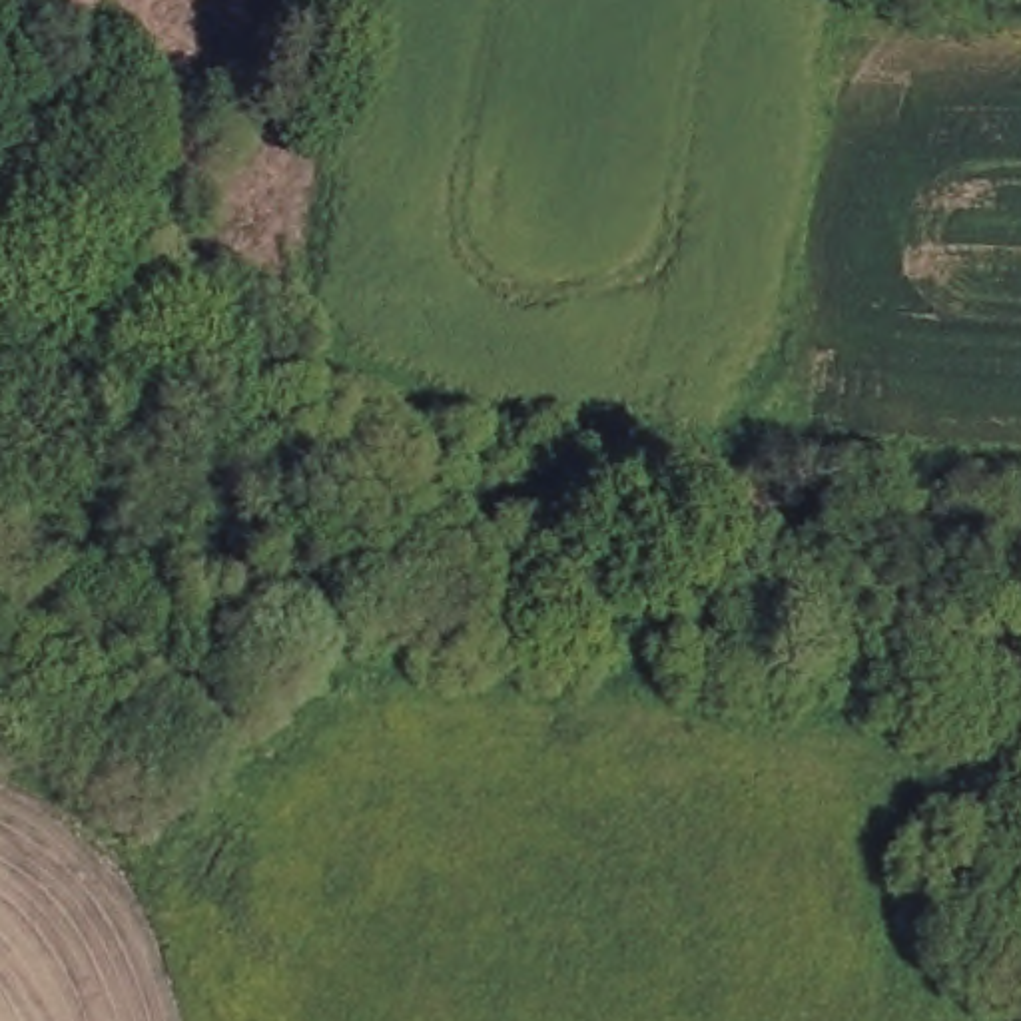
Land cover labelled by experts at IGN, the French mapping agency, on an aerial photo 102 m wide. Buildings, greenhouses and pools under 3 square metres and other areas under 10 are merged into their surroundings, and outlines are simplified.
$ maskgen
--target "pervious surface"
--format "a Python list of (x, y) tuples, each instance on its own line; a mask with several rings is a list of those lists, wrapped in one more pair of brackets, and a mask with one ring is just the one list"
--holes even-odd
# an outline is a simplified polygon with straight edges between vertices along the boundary
[(92, 8), (116, 4), (132, 12), (156, 40), (156, 48), (171, 52), (179, 92), (199, 92), (211, 72), (227, 76), (235, 64), (259, 52), (259, 32), (267, 28), (267, 16), (291, 0), (76, 0)]
[(219, 191), (207, 239), (223, 247), (239, 251), (255, 267), (287, 263), (303, 251), (303, 223), (315, 171), (311, 160), (291, 156), (283, 148), (267, 144), (255, 152), (255, 164), (235, 168), (231, 183)]

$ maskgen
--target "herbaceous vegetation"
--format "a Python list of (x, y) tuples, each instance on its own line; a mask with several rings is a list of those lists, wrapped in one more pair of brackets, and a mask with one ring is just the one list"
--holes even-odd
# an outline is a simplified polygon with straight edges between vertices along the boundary
[(969, 491), (957, 479), (929, 483), (921, 491), (925, 518), (969, 507), (981, 511), (989, 522), (981, 534), (993, 542), (993, 550), (1009, 550), (1013, 530), (1021, 526), (1021, 467), (993, 475), (981, 491)]
[(953, 794), (973, 802), (989, 798), (997, 774), (1005, 770), (993, 754), (985, 762), (953, 766), (941, 778), (909, 782), (909, 770), (893, 758), (897, 746), (885, 746), (877, 730), (865, 726), (873, 710), (869, 654), (857, 654), (850, 666), (846, 706), (834, 726), (814, 726), (782, 742), (758, 738), (754, 730), (722, 730), (706, 718), (694, 730), (682, 730), (686, 718), (674, 718), (666, 702), (658, 706), (658, 698), (638, 682), (630, 662), (602, 686), (582, 690), (574, 682), (562, 682), (558, 694), (514, 694), (495, 674), (483, 674), (475, 682), (443, 678), (431, 686), (415, 686), (407, 678), (407, 650), (395, 650), (395, 662), (343, 654), (323, 694), (303, 702), (291, 714), (287, 730), (279, 730), (275, 738), (267, 730), (239, 734), (231, 742), (219, 786), (211, 786), (199, 798), (191, 818), (160, 830), (160, 838), (128, 869), (136, 901), (148, 909), (160, 949), (168, 957), (179, 1021), (1001, 1021), (989, 1009), (961, 1013), (953, 1001), (925, 993), (913, 977), (909, 961), (921, 953), (929, 893), (909, 889), (901, 897), (877, 901), (873, 889), (877, 877), (885, 877), (889, 842), (913, 822), (929, 794)]
[(690, 375), (678, 371), (666, 375), (666, 383), (654, 383), (626, 411), (642, 431), (662, 435), (670, 459), (690, 463), (690, 475), (702, 487), (746, 483), (746, 475), (730, 463), (734, 431), (726, 423), (674, 427), (678, 387), (690, 383)]

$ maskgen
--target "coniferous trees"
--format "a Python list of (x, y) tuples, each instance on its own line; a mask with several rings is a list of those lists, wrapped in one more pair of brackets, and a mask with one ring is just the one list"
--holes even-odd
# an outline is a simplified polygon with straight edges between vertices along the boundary
[(235, 84), (239, 112), (251, 116), (267, 144), (283, 148), (287, 128), (295, 128), (307, 112), (315, 72), (327, 60), (331, 28), (347, 0), (291, 0), (267, 16), (267, 28), (259, 32), (259, 52), (235, 64), (227, 76)]
[(291, 291), (295, 283), (287, 263), (255, 267), (239, 251), (223, 247), (215, 267), (235, 279), (239, 295), (251, 291), (259, 279)]
[(614, 618), (614, 634), (630, 646), (630, 662), (638, 682), (658, 698), (666, 694), (662, 666), (674, 654), (678, 614)]
[(116, 857), (128, 869), (160, 838), (160, 830), (191, 818), (199, 798), (191, 774), (160, 778), (152, 762), (132, 762), (100, 782), (84, 766), (76, 766), (72, 778), (60, 786), (64, 798), (56, 806), (60, 814), (80, 822), (80, 838), (92, 842), (96, 853)]
[(750, 602), (750, 634), (778, 638), (782, 626), (790, 626), (790, 582), (758, 578)]

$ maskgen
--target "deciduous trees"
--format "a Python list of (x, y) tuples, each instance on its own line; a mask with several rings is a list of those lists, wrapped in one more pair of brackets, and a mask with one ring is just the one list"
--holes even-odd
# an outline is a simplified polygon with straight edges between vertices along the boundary
[(1021, 24), (1021, 0), (834, 0), (834, 16), (857, 28), (861, 44), (889, 40), (897, 32), (909, 32), (909, 40), (997, 40), (1005, 28)]
[[(219, 786), (231, 742), (239, 734), (267, 730), (275, 738), (279, 730), (287, 730), (291, 714), (303, 702), (323, 694), (343, 654), (395, 662), (395, 650), (407, 650), (407, 678), (415, 686), (431, 686), (443, 678), (475, 682), (483, 674), (495, 674), (514, 694), (558, 694), (562, 682), (574, 682), (582, 690), (602, 686), (630, 662), (630, 646), (614, 634), (614, 618), (678, 614), (674, 654), (662, 666), (666, 694), (658, 698), (658, 706), (666, 702), (674, 718), (686, 718), (682, 730), (694, 730), (706, 718), (722, 730), (754, 730), (758, 738), (782, 742), (814, 726), (834, 726), (846, 706), (850, 666), (857, 654), (869, 654), (873, 710), (865, 726), (877, 730), (885, 746), (897, 746), (893, 758), (909, 770), (909, 782), (941, 778), (953, 766), (985, 762), (993, 754), (1005, 770), (997, 774), (989, 798), (973, 802), (953, 794), (929, 794), (913, 822), (889, 842), (885, 877), (877, 877), (873, 889), (877, 901), (901, 897), (909, 889), (929, 893), (921, 953), (909, 961), (913, 977), (925, 993), (953, 1001), (961, 1013), (989, 1009), (1001, 1021), (1021, 1021), (1021, 526), (1013, 530), (1009, 550), (993, 550), (993, 542), (981, 534), (973, 538), (957, 530), (941, 542), (925, 526), (925, 518), (921, 491), (913, 463), (897, 467), (885, 459), (881, 483), (873, 491), (857, 499), (830, 495), (818, 518), (810, 518), (798, 530), (782, 522), (774, 542), (758, 550), (738, 546), (738, 514), (714, 518), (710, 495), (702, 487), (662, 491), (658, 483), (650, 483), (646, 463), (630, 455), (598, 471), (590, 479), (594, 487), (582, 491), (578, 514), (566, 514), (550, 530), (534, 522), (534, 503), (507, 503), (491, 518), (479, 507), (479, 491), (463, 483), (451, 467), (455, 447), (467, 439), (467, 415), (459, 407), (415, 411), (415, 391), (391, 391), (379, 379), (351, 367), (343, 375), (331, 375), (331, 339), (315, 335), (315, 323), (299, 315), (291, 291), (259, 279), (251, 291), (239, 295), (235, 279), (215, 267), (195, 263), (179, 275), (175, 259), (156, 251), (156, 231), (175, 223), (168, 203), (168, 171), (179, 160), (179, 92), (171, 52), (156, 48), (156, 40), (132, 12), (116, 4), (92, 8), (76, 0), (0, 0), (0, 782), (12, 782), (24, 794), (36, 794), (40, 802), (56, 806), (64, 798), (60, 786), (72, 778), (76, 766), (84, 766), (100, 782), (132, 762), (152, 762), (160, 778), (191, 774), (199, 798), (211, 786)], [(782, 626), (778, 638), (750, 634), (750, 602), (758, 578), (790, 582), (790, 626)]]
[(331, 28), (327, 60), (315, 72), (307, 112), (295, 128), (287, 128), (283, 148), (291, 156), (311, 160), (315, 171), (339, 168), (351, 152), (367, 148), (375, 120), (395, 100), (395, 44), (367, 0), (347, 0)]

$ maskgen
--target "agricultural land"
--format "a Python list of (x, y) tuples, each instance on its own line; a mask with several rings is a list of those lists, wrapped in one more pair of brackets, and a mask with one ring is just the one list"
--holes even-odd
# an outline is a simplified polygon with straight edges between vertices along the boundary
[(315, 171), (303, 223), (303, 251), (287, 263), (295, 283), (291, 291), (299, 315), (315, 323), (315, 335), (331, 339), (331, 375), (343, 375), (351, 367), (379, 379), (391, 391), (415, 391), (415, 411), (459, 407), (471, 407), (475, 415), (499, 411), (503, 419), (522, 427), (534, 415), (550, 411), (554, 399), (570, 403), (574, 411), (582, 411), (582, 403), (590, 399), (618, 403), (626, 411), (654, 383), (666, 383), (666, 375), (678, 371), (690, 375), (690, 383), (678, 387), (674, 427), (726, 423), (734, 431), (742, 419), (865, 431), (881, 443), (885, 459), (897, 467), (913, 463), (917, 455), (941, 451), (1021, 451), (1021, 24), (1005, 28), (997, 40), (909, 40), (909, 32), (897, 32), (889, 40), (861, 44), (857, 28), (834, 16), (834, 0), (367, 0), (395, 44), (395, 100), (375, 120), (367, 148), (351, 152), (339, 168)]
[(136, 901), (128, 869), (116, 857), (96, 853), (92, 842), (80, 838), (80, 822), (60, 814), (56, 806), (40, 802), (36, 794), (24, 794), (12, 782), (0, 782), (0, 1021), (179, 1021), (168, 957), (160, 949), (148, 909)]

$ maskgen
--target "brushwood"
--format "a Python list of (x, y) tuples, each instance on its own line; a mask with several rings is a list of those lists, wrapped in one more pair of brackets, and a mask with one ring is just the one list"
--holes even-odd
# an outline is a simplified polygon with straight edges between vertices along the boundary
[(941, 451), (917, 455), (913, 463), (921, 491), (929, 483), (957, 479), (969, 491), (981, 491), (993, 475), (1021, 467), (1021, 451)]
[(215, 267), (223, 247), (207, 239), (219, 191), (231, 183), (235, 168), (255, 164), (255, 152), (267, 144), (251, 116), (239, 112), (235, 84), (227, 76), (211, 72), (199, 92), (179, 92), (179, 160), (168, 171), (168, 203), (175, 223), (156, 231), (156, 251), (175, 259), (179, 275), (195, 263)]
[(981, 534), (989, 522), (981, 511), (969, 507), (925, 518), (925, 526), (941, 542), (957, 530), (973, 538)]
[(662, 435), (642, 431), (626, 411), (618, 403), (590, 399), (582, 403), (582, 411), (574, 411), (570, 403), (554, 399), (550, 411), (534, 415), (522, 427), (503, 419), (499, 411), (475, 415), (471, 407), (459, 407), (467, 415), (467, 439), (455, 447), (451, 467), (463, 483), (479, 491), (479, 507), (491, 518), (507, 503), (534, 503), (534, 522), (550, 530), (566, 514), (578, 514), (582, 491), (594, 487), (590, 479), (598, 471), (630, 455), (646, 463), (650, 483), (658, 483), (662, 491), (702, 487), (690, 475), (690, 463), (670, 459)]
[(758, 550), (774, 542), (782, 522), (798, 530), (810, 518), (818, 518), (830, 495), (857, 499), (873, 491), (881, 483), (885, 459), (881, 443), (865, 431), (742, 419), (734, 431), (730, 463), (746, 475), (746, 483), (702, 487), (710, 495), (714, 518), (738, 514), (738, 546)]

